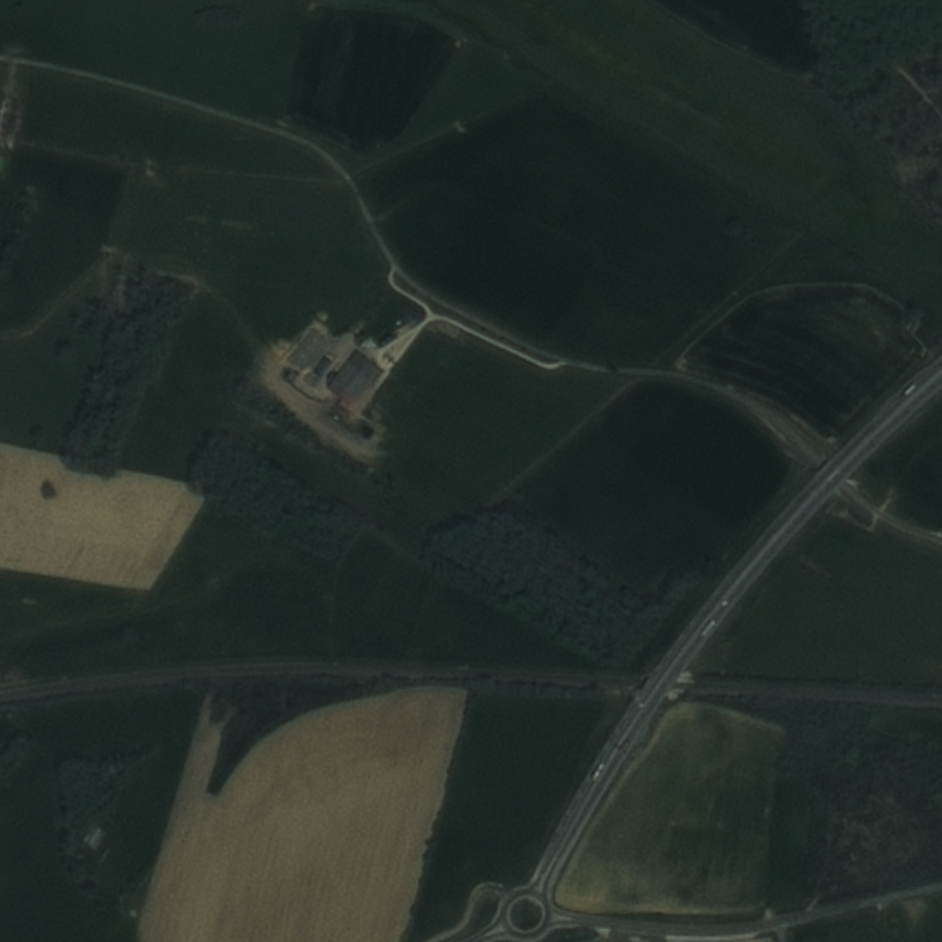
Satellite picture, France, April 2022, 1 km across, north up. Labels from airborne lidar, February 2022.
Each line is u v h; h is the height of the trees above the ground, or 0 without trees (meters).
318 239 0
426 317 0
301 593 0
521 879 0
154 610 0
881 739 6
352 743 0
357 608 0
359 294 0
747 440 0
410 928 0
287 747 0
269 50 0
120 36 0
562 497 0
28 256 0
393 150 0
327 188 0
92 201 0
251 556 0
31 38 0
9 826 0
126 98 0
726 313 0
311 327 0
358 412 0
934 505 0
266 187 0
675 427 0
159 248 0
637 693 0
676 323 0
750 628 0
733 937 0
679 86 0
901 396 0
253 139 0
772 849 0
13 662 0
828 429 0
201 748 0
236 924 0
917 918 0
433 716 0
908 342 0
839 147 0
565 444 0
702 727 0
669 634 0
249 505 29
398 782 0
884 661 0
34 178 0
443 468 0
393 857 0
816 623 0
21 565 0
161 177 0
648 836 0
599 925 0
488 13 0
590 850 0
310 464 0
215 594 0
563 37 0
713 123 0
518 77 0
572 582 28
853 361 0
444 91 0
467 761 0
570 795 0
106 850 0
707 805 0
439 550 21
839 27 23
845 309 0
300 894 0
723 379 0
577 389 0
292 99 0
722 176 0
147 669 0
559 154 0
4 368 0
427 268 0
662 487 0
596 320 0
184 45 0
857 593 0
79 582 0
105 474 20
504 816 0
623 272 0
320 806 0
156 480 0
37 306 0
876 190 0
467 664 0
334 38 0
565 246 0
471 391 0
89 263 0
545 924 0
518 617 14
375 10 0
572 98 0
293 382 0
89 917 0
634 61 0
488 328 0
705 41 0
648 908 0
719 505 0
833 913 0
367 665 0
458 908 0
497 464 0
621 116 0
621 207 0
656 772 0
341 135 0
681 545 0
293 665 0
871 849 0
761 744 0
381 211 0
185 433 0
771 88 0
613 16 0
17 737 7
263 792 0
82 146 0
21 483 0
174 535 0
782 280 0
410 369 0
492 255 0
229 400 0
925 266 0
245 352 0
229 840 0
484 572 27
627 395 0
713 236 0
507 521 26
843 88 19
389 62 0
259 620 0
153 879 0
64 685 0
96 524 0
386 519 0
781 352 0
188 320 0
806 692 0
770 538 0
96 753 0
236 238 0
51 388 0
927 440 0
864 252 0
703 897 0
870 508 0
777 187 0
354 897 0
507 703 0
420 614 0
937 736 0
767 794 0
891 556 0
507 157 0
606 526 0
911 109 0
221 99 0
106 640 0
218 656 0
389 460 0
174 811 0
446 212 0
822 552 0
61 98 0
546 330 0
